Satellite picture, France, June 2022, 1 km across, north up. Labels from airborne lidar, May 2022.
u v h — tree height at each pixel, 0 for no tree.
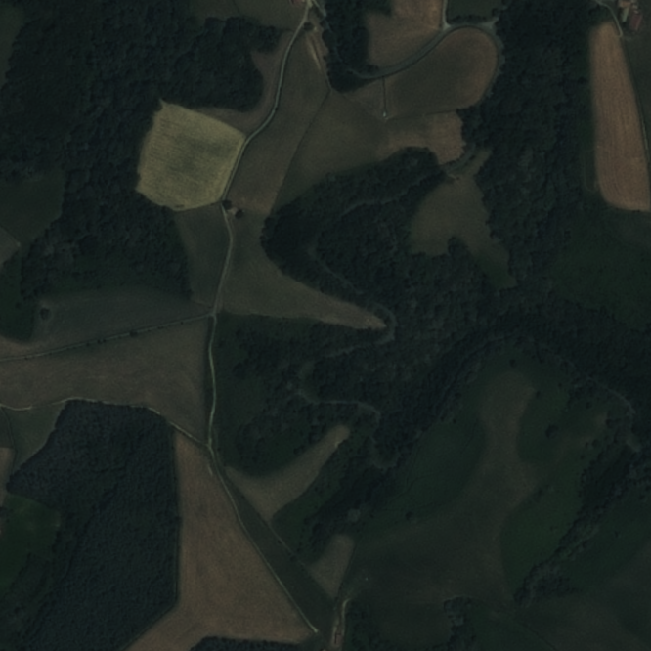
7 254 0
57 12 19
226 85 22
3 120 16
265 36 17
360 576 0
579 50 11
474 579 0
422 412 17
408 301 13
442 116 0
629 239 0
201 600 0
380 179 8
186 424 0
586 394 8
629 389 18
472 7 0
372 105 0
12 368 0
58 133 21
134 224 13
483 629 0
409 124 0
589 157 0
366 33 19
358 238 24
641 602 0
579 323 24
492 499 0
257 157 0
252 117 0
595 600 0
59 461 14
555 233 21
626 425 15
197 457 0
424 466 0
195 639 0
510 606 0
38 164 27
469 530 0
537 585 12
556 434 16
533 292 26
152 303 0
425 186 16
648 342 18
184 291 8
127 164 21
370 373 23
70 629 14
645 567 0
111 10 24
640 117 0
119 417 15
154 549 9
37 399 0
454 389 8
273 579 0
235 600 0
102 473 17
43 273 18
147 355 0
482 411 0
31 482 14
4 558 0
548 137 29
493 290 17
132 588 16
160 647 0
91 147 26
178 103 8
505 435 0
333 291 12
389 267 7
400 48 0
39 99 21
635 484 19
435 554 0
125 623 12
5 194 0
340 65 20
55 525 0
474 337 17
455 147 0
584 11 19
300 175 0
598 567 0
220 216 0
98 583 21
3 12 0
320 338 9
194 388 0
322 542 14
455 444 0
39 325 0
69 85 26
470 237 0
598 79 0
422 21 0
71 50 26
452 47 0
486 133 12
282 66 0
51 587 7
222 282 0
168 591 9
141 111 24
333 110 0
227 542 0
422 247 0
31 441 0
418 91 0
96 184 24
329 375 24
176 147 0
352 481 15
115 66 13
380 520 0
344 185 8
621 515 0
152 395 0
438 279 8
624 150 0
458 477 0
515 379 0
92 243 21
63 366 0
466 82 0
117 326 0
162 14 29
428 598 0
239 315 0
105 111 15
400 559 0
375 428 9
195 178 0
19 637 18
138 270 11
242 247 0
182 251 6
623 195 0
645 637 0
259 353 10
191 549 0
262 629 0
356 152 0
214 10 0
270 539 0
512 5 13
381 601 0
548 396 0
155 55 23
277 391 11
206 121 0
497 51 0
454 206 0
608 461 16
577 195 22
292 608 0
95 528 15
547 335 23
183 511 0
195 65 27
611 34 0
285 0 0
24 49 13
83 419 13
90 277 9
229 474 0
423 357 21
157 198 0
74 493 15
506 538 0
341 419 11
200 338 0
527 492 0
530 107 29
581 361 21
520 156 23
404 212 16
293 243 27
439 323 14
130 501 11
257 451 8
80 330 0
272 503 0
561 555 20
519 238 21
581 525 19
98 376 0
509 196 29
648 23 0
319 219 13
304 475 0
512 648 0
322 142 0
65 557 12
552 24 27
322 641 0
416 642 0
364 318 0
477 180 17
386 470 7
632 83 0
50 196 0
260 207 0
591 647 0
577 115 20
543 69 26
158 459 14
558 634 0
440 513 0
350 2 29
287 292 0
